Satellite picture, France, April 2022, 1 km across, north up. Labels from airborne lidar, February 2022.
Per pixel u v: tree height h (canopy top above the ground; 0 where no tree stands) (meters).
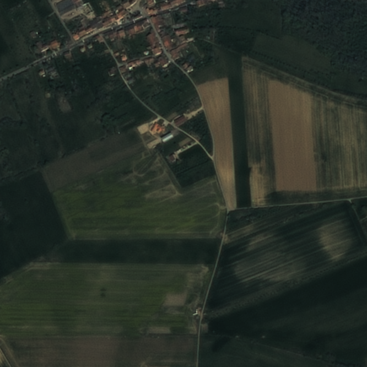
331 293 0
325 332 0
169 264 0
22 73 7
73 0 0
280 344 0
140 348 0
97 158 0
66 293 0
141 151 0
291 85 0
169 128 0
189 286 0
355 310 0
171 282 0
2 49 0
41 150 0
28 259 0
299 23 18
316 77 0
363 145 0
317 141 0
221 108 0
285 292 0
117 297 0
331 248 0
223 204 0
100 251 0
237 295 0
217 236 0
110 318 0
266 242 0
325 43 11
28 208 0
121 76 0
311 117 0
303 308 0
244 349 0
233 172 0
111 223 0
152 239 0
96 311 0
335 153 0
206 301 0
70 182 0
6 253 0
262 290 0
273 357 0
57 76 0
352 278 0
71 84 0
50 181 0
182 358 0
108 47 0
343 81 0
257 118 0
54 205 0
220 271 0
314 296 0
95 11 0
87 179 0
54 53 0
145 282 0
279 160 0
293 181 0
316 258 0
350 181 0
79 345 0
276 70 0
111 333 0
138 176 0
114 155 0
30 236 0
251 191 0
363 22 13
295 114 0
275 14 0
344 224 0
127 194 0
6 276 0
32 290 0
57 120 0
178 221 0
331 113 0
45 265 0
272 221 0
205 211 0
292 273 0
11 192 0
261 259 0
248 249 0
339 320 0
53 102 0
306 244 0
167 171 0
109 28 0
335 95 0
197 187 0
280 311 0
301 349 0
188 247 0
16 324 0
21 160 0
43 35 10
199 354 0
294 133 0
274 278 0
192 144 0
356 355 0
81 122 0
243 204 0
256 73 0
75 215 0
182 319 0
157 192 0
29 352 0
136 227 0
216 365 0
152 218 0
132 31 0
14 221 0
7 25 0
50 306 0
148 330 0
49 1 0
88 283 0
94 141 0
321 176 0
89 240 0
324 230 0
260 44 0
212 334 0
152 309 0
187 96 0
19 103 0
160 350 0
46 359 0
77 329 0
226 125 0
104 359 0
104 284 0
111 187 0
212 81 0
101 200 0
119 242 0
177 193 0
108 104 10
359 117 0
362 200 0
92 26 0
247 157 0
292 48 0
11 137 0
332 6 24
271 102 0
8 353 0
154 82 0
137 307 0
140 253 0
